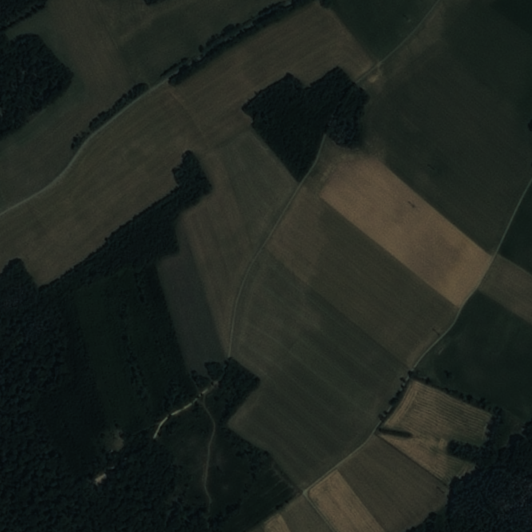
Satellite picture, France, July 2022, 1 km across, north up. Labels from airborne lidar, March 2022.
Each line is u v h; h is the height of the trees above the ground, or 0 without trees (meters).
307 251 0
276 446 0
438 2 0
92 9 0
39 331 22
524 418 0
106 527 22
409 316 0
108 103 0
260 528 0
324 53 0
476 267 0
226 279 0
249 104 12
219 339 0
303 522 0
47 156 0
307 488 0
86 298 0
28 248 0
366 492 0
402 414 0
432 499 0
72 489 26
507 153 0
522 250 0
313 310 0
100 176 0
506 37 0
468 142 0
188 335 0
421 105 0
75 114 0
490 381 0
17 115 15
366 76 0
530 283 0
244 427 0
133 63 0
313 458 0
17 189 0
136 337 0
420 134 0
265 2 0
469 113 0
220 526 23
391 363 0
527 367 0
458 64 0
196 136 0
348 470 0
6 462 28
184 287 0
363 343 0
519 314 0
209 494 0
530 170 0
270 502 0
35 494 26
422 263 0
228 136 0
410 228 0
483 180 0
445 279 0
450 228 0
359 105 11
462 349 0
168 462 13
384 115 0
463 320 0
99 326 0
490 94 0
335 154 0
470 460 15
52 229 0
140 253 15
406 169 0
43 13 0
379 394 0
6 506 25
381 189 0
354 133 24
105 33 0
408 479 0
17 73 21
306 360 0
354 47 0
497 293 0
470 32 0
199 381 18
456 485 19
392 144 0
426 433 0
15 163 0
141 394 20
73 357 8
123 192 0
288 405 0
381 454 0
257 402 0
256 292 0
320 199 0
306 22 0
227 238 0
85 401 9
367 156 0
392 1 0
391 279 0
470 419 0
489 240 0
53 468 27
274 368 0
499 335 0
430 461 0
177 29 0
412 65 0
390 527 0
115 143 0
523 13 0
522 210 0
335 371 0
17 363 26
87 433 10
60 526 22
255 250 0
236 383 20
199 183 23
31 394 30
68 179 0
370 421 0
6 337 24
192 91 0
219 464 0
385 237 0
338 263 0
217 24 0
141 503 23
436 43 0
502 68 0
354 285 0
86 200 0
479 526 21
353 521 0
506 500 24
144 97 0
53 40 0
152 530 15
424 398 0
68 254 0
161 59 0
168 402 21
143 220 11
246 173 0
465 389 0
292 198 0
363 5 0
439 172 0
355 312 0
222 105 0
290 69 0
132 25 0
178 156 0
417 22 0
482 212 0
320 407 0
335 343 0
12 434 29
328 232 0
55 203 0
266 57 0
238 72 0
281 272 0
